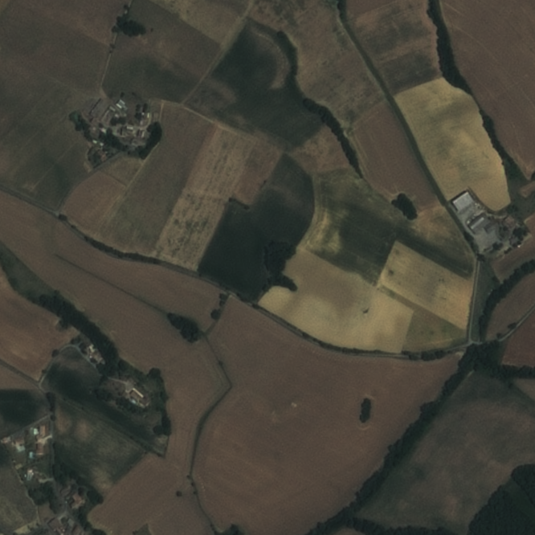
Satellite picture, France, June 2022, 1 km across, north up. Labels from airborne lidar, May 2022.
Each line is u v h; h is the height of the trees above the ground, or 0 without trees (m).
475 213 0
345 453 0
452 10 0
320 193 0
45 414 0
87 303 0
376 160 0
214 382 0
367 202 0
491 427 0
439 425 0
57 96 0
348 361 0
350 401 0
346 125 0
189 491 0
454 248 0
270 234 0
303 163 0
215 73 0
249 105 0
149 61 0
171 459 0
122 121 13
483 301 0
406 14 0
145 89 0
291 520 0
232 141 0
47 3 0
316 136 0
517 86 0
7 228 0
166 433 12
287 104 0
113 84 0
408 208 12
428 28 0
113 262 0
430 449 0
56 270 0
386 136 0
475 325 0
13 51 0
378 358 0
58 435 0
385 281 0
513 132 0
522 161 0
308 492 0
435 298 0
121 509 0
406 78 0
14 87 0
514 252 0
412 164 0
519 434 0
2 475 0
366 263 0
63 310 17
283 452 0
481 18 0
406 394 0
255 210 0
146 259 17
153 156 0
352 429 0
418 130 0
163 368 0
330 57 0
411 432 19
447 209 0
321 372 0
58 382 0
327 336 0
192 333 12
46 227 0
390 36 0
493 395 0
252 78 0
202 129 0
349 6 0
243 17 0
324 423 0
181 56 0
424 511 0
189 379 0
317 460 0
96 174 0
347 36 0
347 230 0
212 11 0
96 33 0
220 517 0
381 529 21
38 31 0
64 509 0
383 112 0
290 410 0
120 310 0
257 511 0
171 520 0
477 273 0
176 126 0
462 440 0
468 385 0
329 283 0
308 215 0
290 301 0
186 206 0
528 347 0
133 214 0
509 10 0
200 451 0
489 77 0
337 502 0
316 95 0
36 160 0
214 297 0
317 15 0
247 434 0
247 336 0
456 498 0
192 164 0
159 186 0
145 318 0
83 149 0
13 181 0
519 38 0
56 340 0
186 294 0
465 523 0
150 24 0
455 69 10
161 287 0
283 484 0
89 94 0
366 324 0
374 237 0
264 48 0
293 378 0
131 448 0
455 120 0
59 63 0
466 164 0
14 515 0
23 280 0
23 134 0
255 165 0
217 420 0
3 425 0
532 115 0
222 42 0
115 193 0
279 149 0
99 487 0
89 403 0
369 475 0
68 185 0
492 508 14
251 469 0
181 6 0
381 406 0
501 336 12
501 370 15
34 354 0
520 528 20
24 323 0
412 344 0
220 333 0
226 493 0
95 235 0
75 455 0
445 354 9
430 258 0
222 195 0
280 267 16
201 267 0
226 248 0
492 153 0
